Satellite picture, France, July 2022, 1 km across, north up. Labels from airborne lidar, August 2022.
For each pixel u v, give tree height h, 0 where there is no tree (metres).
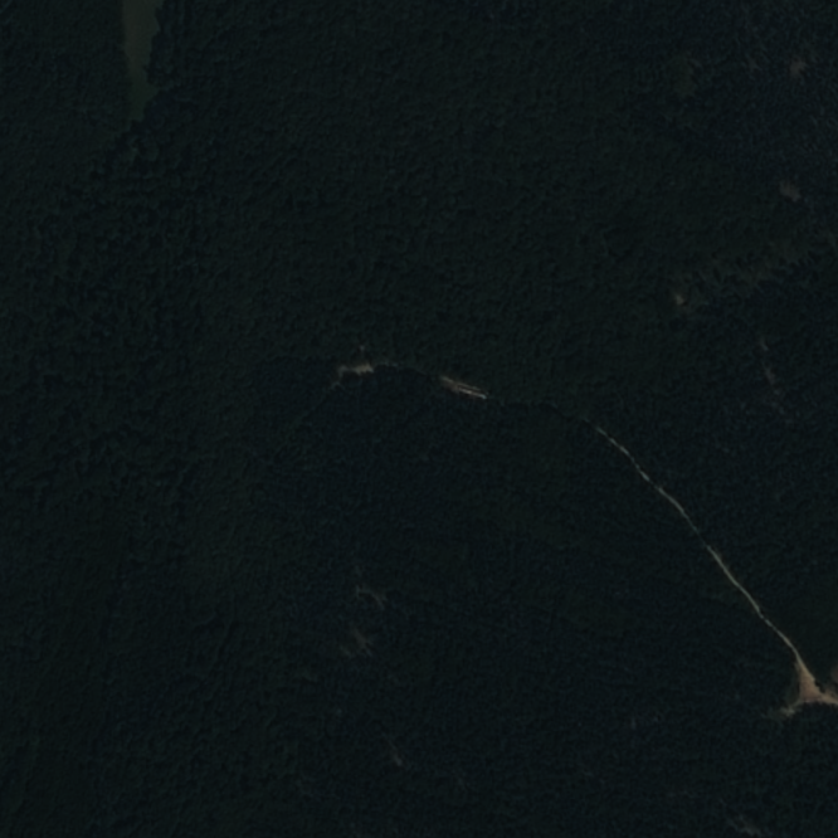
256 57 22
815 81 17
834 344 22
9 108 17
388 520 21
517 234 14
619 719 21
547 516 15
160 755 20
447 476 17
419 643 18
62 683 13
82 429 29
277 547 16
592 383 19
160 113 26
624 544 19
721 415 26
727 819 17
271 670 23
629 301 18
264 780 18
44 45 20
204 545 15
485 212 19
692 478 18
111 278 28
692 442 18
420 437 16
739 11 24
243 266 18
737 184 18
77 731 12
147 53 0
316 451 18
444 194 18
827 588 12
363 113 21
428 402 13
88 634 12
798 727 12
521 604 18
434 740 23
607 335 20
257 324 16
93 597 11
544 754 22
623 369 16
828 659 12
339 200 23
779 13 25
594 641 19
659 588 22
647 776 20
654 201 23
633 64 17
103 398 28
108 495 26
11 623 22
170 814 21
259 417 18
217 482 18
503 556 15
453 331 18
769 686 21
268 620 21
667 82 21
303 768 17
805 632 13
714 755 17
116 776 22
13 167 20
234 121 23
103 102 27
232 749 26
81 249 28
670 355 20
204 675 25
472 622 17
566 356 23
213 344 21
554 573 19
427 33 21
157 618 19
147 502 24
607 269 16
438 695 27
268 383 20
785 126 21
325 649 12
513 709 18
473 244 17
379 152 18
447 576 17
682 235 25
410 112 20
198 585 19
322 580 16
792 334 24
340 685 18
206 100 24
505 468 16
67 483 29
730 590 18
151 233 10
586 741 19
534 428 12
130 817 15
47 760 13
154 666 19
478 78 20
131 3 0
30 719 12
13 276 21
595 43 15
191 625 14
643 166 19
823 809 15
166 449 27
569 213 23
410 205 18
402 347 19
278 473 19
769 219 20
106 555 13
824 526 16
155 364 26
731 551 14
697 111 20
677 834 20
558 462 14
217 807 23
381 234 19
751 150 18
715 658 21
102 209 26
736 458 16
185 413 23
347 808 19
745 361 16
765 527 19
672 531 21
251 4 18
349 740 26
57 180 9
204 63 23
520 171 22
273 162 21
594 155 21
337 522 14
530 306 18
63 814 11
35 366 27
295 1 22
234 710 25
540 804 21
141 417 28
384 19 20
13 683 28
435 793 15
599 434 12
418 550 15
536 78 19
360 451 19
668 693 19
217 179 23
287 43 21
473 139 21
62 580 27
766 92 23
